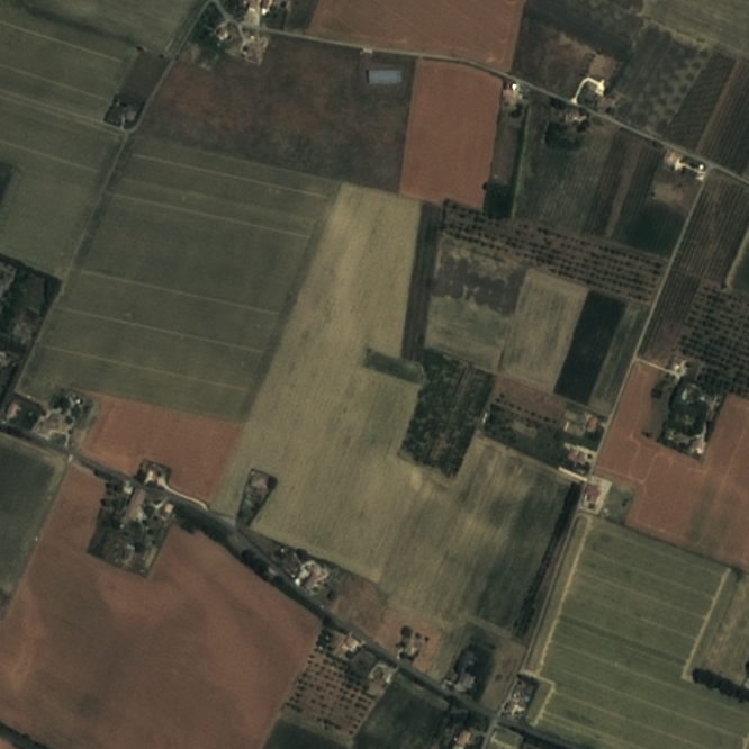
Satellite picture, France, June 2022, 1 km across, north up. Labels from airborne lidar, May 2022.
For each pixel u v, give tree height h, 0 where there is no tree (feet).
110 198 0
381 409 0
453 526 0
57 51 0
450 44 0
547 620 0
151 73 0
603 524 0
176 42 0
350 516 0
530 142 0
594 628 0
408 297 0
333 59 0
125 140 0
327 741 0
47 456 0
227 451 0
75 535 0
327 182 0
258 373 0
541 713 0
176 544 0
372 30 0
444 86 0
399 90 0
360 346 0
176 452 0
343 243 0
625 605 0
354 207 0
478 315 0
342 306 0
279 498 0
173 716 0
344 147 0
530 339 0
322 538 0
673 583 0
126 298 0
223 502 0
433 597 0
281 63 0
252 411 0
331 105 0
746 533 0
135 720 0
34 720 0
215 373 0
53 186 0
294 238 0
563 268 26
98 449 0
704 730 0
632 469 0
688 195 0
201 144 0
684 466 0
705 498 0
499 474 0
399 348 0
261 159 0
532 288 0
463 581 0
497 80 0
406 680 0
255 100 0
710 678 74
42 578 0
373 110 0
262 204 0
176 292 0
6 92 0
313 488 0
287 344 0
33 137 0
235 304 0
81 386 0
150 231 0
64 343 0
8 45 0
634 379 0
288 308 0
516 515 0
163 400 0
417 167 0
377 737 0
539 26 0
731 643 0
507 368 0
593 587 0
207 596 0
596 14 0
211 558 0
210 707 0
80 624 0
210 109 0
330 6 0
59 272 0
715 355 25
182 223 0
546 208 0
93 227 0
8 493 0
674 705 0
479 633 0
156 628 0
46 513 0
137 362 0
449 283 0
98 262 0
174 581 0
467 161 0
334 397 0
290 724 0
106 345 0
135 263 0
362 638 0
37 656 0
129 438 0
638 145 0
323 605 0
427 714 0
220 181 0
